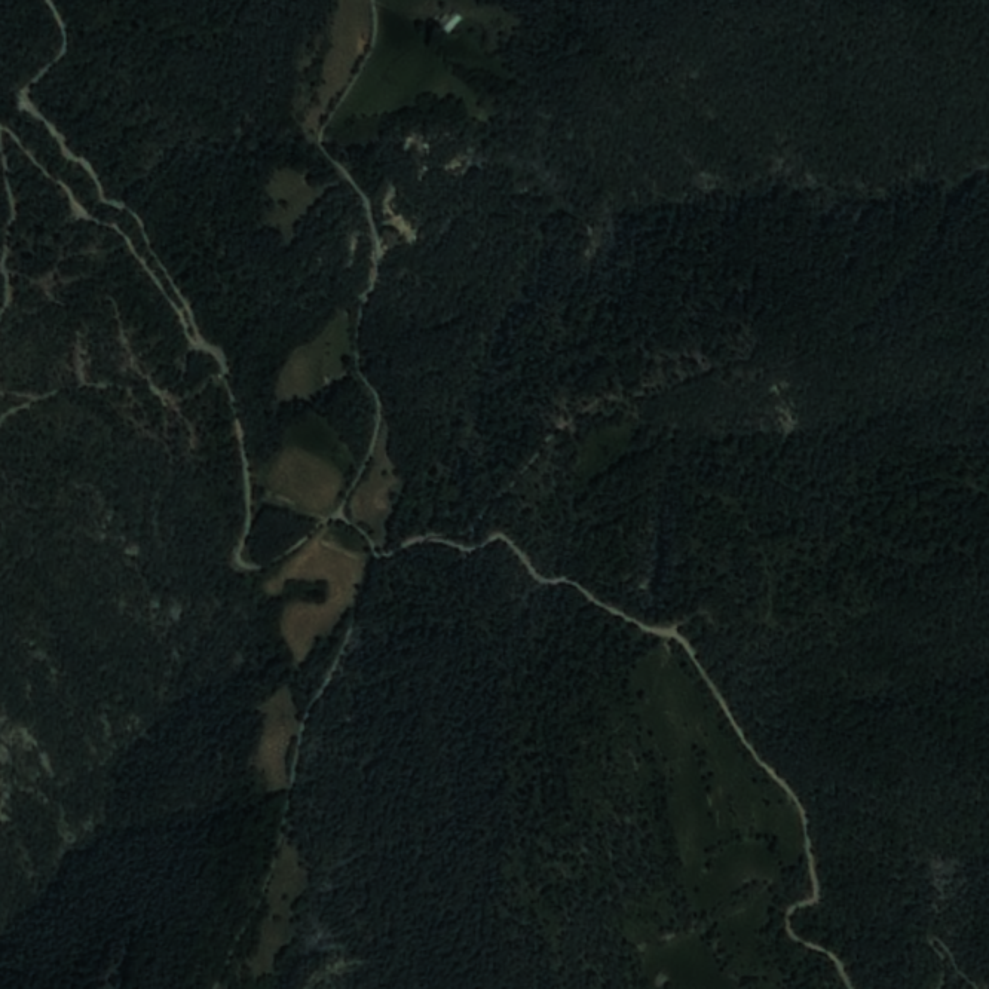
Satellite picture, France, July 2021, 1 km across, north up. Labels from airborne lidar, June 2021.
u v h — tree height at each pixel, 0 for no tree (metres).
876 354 11
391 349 16
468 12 0
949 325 12
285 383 0
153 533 7
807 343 7
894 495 14
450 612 12
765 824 0
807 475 12
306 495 0
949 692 18
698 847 0
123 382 8
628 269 8
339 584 0
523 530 8
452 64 9
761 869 0
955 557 12
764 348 11
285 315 13
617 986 14
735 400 7
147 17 8
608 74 10
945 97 11
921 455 16
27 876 7
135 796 9
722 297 16
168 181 6
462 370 12
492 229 10
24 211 10
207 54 11
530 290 12
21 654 7
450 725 11
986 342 10
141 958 17
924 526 10
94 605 6
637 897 10
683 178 7
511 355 15
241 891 7
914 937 7
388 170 10
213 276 11
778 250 13
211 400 7
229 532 7
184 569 7
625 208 8
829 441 10
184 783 8
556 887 9
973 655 9
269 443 11
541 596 6
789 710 18
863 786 13
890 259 12
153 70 13
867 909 12
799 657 6
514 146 11
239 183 16
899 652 14
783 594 10
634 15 17
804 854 6
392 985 8
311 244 12
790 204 15
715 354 15
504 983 12
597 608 11
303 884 0
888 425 14
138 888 11
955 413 10
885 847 6
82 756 6
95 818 7
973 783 9
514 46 13
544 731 11
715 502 10
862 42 8
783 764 15
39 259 7
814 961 6
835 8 11
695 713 0
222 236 13
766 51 10
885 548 13
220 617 8
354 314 6
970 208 17
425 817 9
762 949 8
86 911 12
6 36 6
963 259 18
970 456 9
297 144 9
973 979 7
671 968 0
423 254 8
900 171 13
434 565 16
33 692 6
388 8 0
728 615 7
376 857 8
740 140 6
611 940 14
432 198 8
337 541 0
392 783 10
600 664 15
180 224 12
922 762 13
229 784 6
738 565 9
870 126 9
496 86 18
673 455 9
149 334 12
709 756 8
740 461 9
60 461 7
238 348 9
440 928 13
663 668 0
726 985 0
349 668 6
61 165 11
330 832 9
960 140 9
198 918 13
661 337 13
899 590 10
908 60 7
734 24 7
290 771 7
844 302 12
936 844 11
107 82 11
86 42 9
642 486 6
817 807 12
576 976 11
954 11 11
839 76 11
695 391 8
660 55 11
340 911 6
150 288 9
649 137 9
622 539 13
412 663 11
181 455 6
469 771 9
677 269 10
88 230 7
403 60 0
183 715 8
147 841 13
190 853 16
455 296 12
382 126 7
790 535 13
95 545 7
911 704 16
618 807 7
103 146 10
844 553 12
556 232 15
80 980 12
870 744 15
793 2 15
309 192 0
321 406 12
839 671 8
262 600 7
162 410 7
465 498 9
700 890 10
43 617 6
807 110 8
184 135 9
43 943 12
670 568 12
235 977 8
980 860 12
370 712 10
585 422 11
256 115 14
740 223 16
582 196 10
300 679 9
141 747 14
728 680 13
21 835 6
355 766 8
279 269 12
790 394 6
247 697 14
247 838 21
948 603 10
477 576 13
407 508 11
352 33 0
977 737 13
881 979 12
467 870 12
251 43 12
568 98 11
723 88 8
